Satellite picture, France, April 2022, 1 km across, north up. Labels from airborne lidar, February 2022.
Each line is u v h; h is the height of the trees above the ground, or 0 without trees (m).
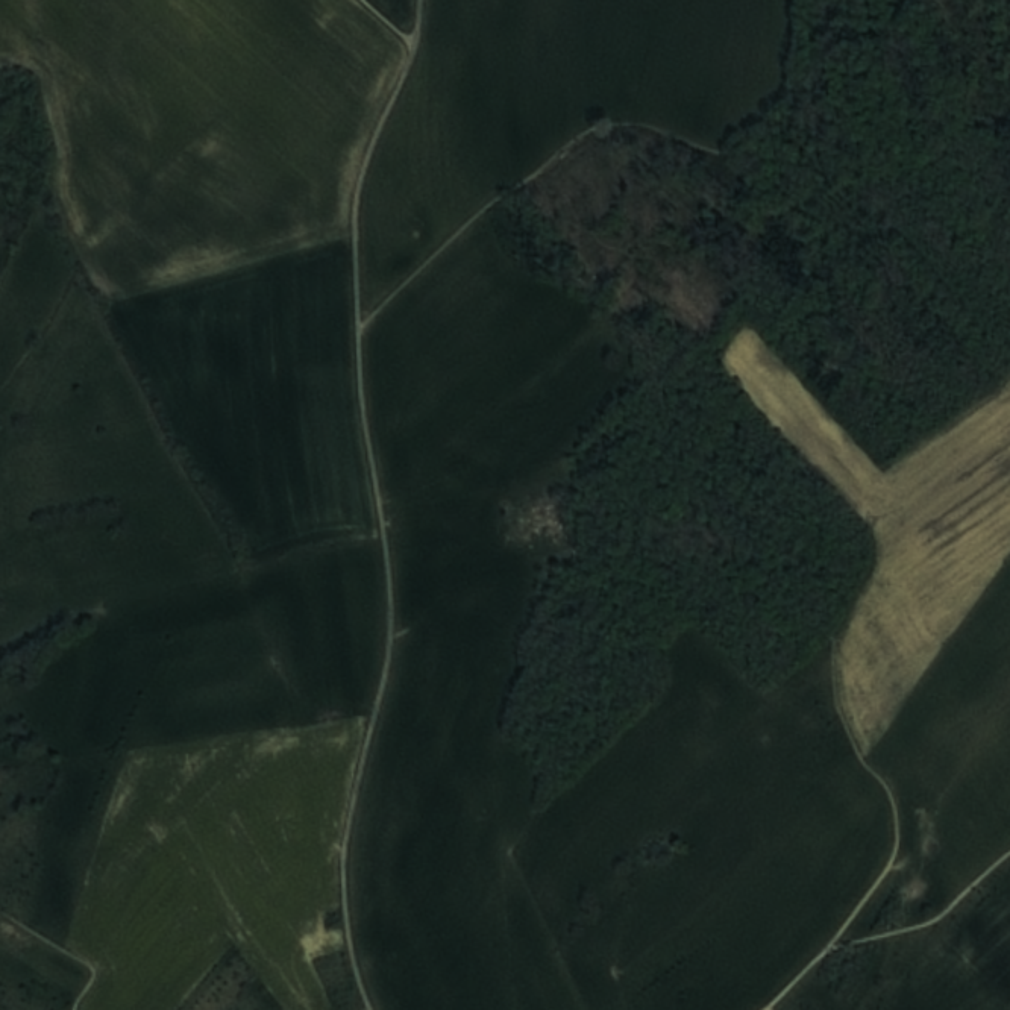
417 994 0
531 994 0
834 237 23
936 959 0
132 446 0
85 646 0
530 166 0
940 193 19
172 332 0
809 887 0
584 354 0
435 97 0
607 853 0
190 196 0
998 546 0
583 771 14
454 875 0
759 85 0
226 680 0
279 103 0
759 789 0
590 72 0
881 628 0
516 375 0
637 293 0
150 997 0
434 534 0
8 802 0
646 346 21
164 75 0
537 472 0
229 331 0
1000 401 0
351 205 0
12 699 0
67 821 0
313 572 0
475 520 0
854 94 24
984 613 0
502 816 0
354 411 0
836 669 0
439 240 0
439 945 0
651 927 0
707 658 0
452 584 0
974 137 22
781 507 26
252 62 0
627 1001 0
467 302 0
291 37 0
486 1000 0
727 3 0
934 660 0
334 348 0
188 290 0
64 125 0
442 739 0
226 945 0
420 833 0
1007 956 0
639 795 0
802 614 23
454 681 0
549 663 22
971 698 0
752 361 0
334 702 0
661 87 0
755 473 12
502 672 0
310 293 0
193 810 0
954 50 19
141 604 0
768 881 0
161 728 0
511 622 0
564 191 0
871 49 19
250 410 0
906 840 0
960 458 0
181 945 0
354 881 0
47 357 0
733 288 6
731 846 0
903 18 22
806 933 0
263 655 0
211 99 0
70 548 0
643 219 0
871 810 0
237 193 0
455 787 0
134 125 0
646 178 27
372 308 0
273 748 0
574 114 0
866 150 21
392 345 0
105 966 0
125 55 0
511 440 0
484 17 0
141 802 0
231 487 0
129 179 0
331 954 0
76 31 0
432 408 0
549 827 0
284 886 0
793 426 0
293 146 0
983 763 0
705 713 0
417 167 0
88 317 0
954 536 0
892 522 0
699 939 0
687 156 24
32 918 0
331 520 0
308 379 0
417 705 0
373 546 0
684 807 0
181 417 0
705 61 0
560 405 0
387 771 0
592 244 0
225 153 0
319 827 0
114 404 0
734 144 18
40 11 0
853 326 8
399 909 0
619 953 0
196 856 0
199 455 0
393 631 0
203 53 0
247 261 0
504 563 0
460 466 0
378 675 0
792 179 26
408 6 0
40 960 0
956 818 0
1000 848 0
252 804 0
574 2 0
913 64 23
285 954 0
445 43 0
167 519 0
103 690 0
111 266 0
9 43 0
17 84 14
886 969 0
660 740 0
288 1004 0
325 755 0
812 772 0
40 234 0
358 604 0
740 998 0
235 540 9
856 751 0
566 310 0
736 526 25
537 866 0
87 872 0
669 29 0
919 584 0
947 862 0
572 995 0
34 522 8
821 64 22
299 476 0
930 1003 0
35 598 0
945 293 23
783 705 0
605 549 18
